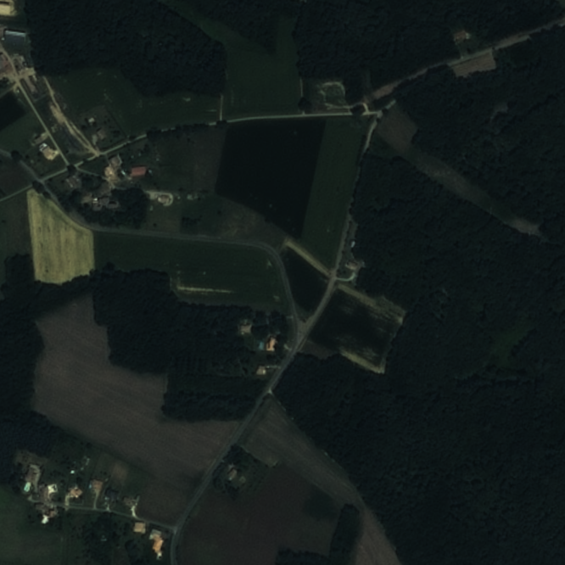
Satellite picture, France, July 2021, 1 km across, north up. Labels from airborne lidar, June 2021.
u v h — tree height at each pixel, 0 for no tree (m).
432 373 27
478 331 28
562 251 21
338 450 16
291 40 0
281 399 10
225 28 0
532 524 15
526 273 17
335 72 18
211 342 17
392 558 0
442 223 27
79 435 0
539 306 18
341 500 0
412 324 17
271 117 0
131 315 20
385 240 17
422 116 12
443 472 14
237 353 15
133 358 17
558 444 10
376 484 9
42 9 21
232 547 0
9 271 11
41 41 19
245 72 0
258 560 0
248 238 0
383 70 18
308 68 13
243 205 0
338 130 0
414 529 18
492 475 7
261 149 0
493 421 23
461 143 17
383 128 0
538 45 19
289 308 0
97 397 0
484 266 25
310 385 19
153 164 0
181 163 0
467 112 20
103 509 0
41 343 20
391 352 9
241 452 8
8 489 0
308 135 0
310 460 0
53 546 0
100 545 8
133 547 15
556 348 16
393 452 20
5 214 0
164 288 17
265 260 0
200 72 22
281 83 0
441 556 23
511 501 23
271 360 12
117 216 10
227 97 0
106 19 18
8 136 0
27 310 20
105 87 0
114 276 21
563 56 18
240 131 0
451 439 20
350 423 22
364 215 17
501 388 28
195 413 18
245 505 0
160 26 17
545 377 21
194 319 18
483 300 19
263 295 0
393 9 16
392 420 25
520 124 31
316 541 0
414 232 25
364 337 0
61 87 0
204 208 0
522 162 21
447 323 20
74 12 22
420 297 6
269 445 0
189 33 15
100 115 0
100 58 21
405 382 18
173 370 7
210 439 0
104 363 0
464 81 16
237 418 9
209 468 0
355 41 10
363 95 14
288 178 0
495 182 20
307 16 15
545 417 21
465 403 18
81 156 0
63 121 0
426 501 16
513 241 10
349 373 17
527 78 18
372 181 12
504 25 19
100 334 0
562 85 21
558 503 28
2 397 27
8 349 22
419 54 17
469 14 21
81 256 0
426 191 16
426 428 21
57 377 0
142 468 0
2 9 0
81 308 0
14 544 0
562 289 24
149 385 0
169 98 0
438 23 21
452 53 16
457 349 20
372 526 0
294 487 0
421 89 18
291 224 0
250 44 0
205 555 0
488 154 9
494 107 14
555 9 18
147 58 19
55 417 0
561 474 20
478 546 19
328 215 0
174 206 0
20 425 17
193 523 0
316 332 0
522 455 20
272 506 0
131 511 0
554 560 17
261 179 0
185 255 0
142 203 12
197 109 0
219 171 0
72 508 0
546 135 25
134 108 0
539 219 23
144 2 19
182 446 0
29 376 18
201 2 21
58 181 0
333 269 0
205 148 0
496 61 15
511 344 0
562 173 23
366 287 9
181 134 10
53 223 0
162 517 0
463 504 19
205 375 8
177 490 0
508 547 14
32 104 0
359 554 0
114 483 0
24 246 0
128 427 0
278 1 13
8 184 0
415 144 14
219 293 0
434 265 26
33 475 0
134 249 0
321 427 23
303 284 0
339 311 0
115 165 0
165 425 0
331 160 0
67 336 0
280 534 0
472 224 22
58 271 0
